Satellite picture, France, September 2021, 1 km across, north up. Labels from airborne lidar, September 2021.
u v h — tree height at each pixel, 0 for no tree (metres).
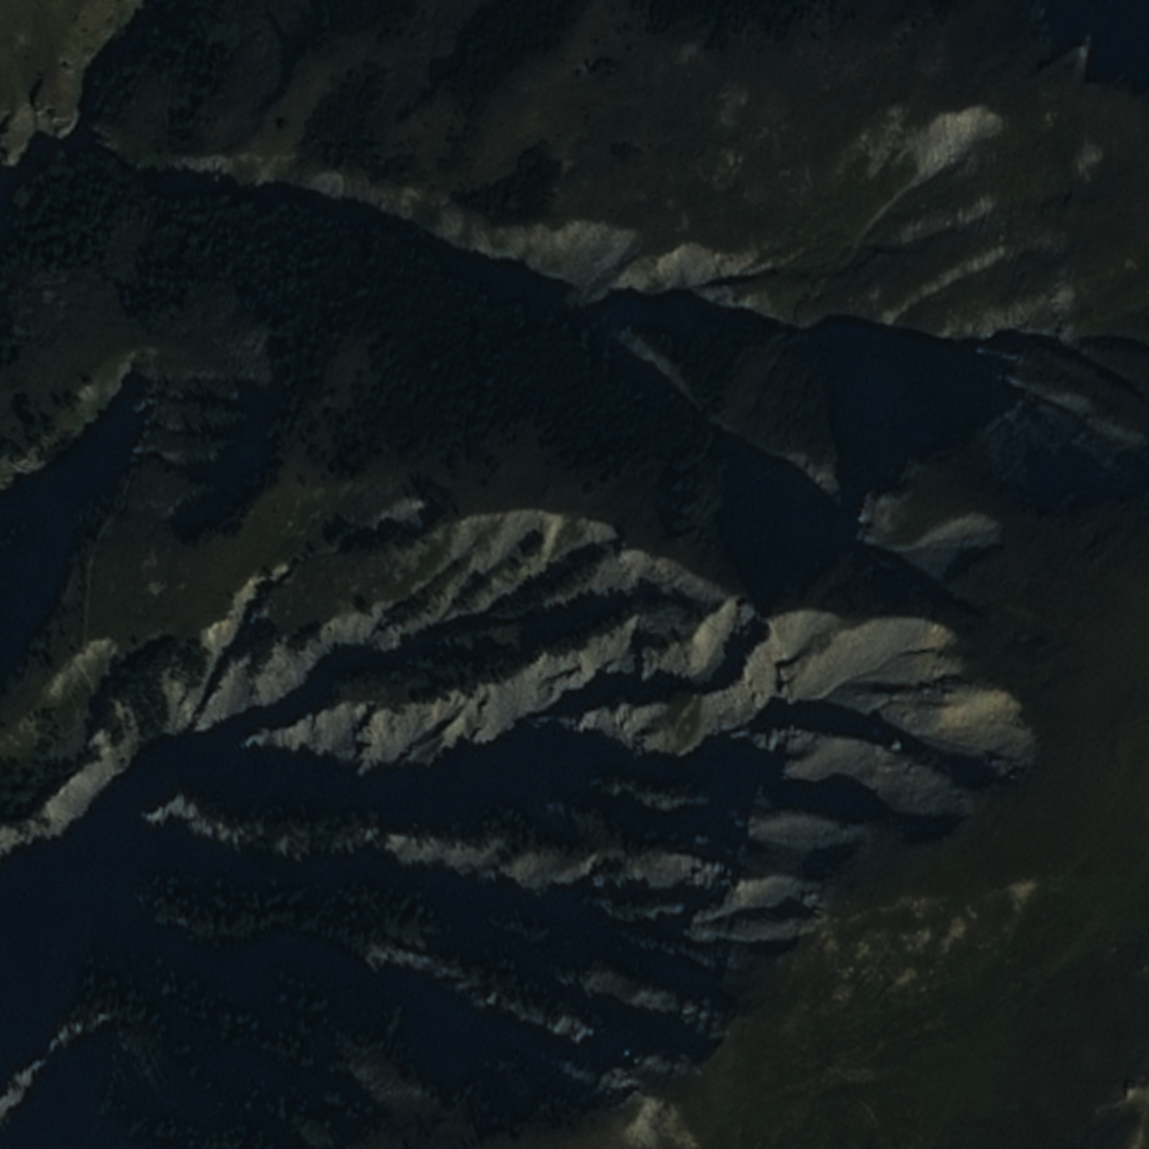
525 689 0
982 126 0
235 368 0
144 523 0
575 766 0
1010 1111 0
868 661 0
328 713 6
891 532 0
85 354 0
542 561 0
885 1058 0
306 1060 10
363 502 0
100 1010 24
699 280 0
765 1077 0
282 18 0
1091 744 0
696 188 0
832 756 0
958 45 0
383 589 0
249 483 12
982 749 0
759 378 0
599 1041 0
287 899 20
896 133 0
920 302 0
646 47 0
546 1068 0
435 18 0
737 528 0
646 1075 0
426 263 5
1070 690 0
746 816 0
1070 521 0
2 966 0
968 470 0
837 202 0
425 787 0
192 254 9
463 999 0
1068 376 0
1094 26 0
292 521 0
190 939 7
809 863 0
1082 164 0
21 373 0
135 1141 8
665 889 0
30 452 7
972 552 0
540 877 0
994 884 0
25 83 0
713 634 0
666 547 0
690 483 0
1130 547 0
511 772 0
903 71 0
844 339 0
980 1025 0
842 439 0
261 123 0
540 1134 0
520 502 0
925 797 0
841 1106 0
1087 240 0
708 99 0
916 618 0
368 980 6
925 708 0
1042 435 0
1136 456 0
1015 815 0
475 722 0
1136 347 0
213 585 0
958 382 0
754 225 0
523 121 0
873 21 0
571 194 0
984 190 0
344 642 0
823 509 0
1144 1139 0
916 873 0
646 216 0
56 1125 0
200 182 0
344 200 0
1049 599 0
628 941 0
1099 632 0
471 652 0
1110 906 0
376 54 0
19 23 0
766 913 0
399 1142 0
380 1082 0
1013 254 0
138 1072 0
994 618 0
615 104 0
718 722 0
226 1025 18
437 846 9
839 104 0
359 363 0
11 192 10
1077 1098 0
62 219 6
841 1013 0
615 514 0
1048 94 0
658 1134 0
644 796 6
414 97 0
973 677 0
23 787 6
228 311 0
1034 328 0
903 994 0
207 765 0
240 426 0
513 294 0
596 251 0
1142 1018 0
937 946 0
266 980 8
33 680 0
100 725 10
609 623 13
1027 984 0
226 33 0
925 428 0
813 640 0
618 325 0
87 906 0
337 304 8
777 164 0
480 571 0
